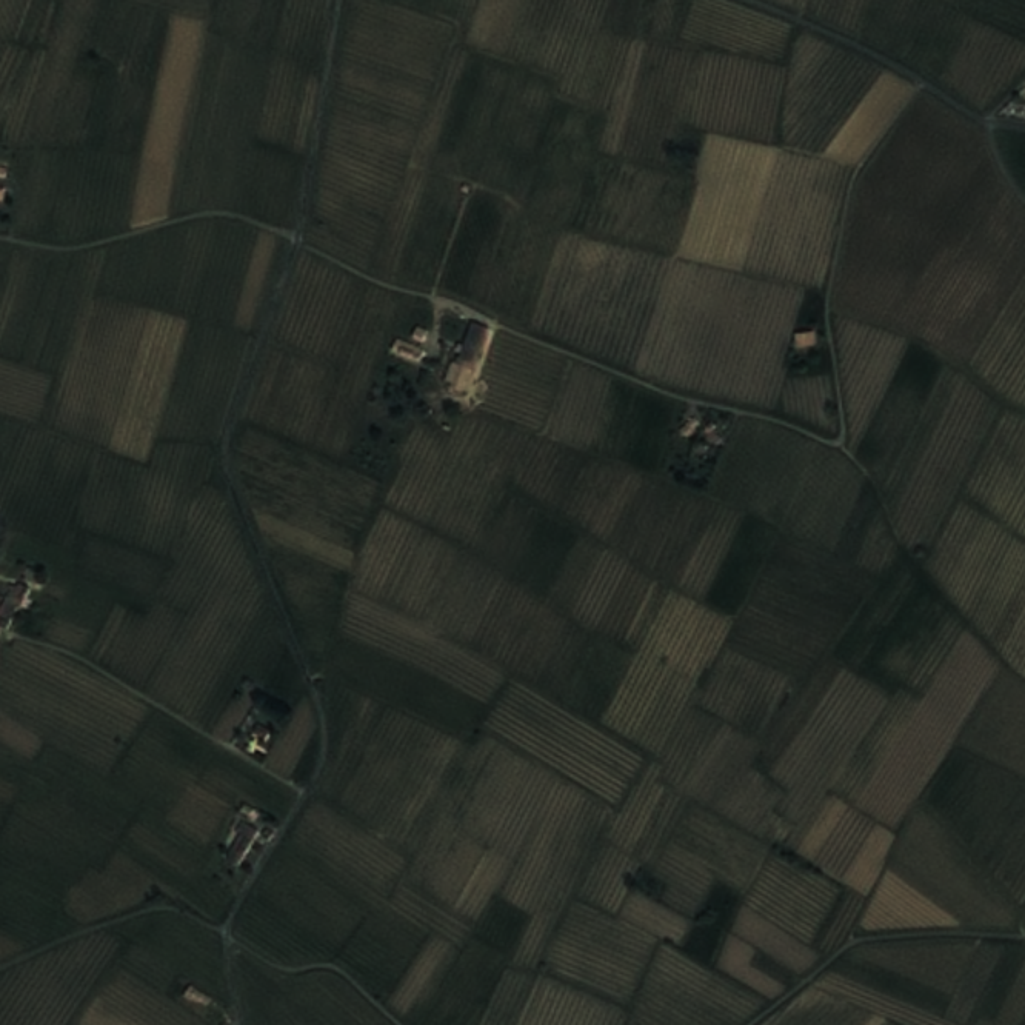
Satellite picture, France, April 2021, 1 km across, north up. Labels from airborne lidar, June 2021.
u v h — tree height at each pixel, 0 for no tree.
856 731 0
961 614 0
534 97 0
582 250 0
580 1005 0
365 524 0
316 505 0
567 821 0
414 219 0
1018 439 0
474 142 0
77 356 0
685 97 0
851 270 0
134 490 0
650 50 0
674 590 0
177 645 0
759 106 0
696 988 0
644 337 0
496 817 0
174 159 0
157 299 0
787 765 0
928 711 0
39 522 0
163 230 0
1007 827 0
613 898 0
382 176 0
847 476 0
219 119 0
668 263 0
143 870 0
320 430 0
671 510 0
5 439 0
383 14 0
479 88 0
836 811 0
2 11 0
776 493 0
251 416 0
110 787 0
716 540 0
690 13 0
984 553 0
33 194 0
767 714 0
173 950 0
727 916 0
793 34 0
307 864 0
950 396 0
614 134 0
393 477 0
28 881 0
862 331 0
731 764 0
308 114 0
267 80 0
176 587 0
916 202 0
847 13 0
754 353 0
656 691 0
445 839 0
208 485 0
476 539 0
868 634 0
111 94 0
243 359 0
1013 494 0
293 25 0
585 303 0
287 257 0
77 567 0
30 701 0
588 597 0
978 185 0
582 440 0
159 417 0
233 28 0
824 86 0
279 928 0
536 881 0
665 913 0
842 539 0
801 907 0
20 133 0
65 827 0
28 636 0
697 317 0
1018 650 0
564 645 0
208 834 0
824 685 0
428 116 0
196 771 0
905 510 0
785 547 0
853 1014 0
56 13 0
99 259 0
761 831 0
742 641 0
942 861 0
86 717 0
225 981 0
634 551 0
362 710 0
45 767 0
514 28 0
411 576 0
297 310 0
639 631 0
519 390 0
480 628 0
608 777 0
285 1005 0
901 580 0
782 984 0
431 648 0
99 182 0
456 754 0
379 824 0
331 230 0
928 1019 0
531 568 0
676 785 0
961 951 0
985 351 0
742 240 0
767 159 0
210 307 0
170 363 0
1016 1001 0
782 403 0
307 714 0
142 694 0
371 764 0
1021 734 0
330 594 0
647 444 0
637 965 0
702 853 0
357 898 0
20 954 0
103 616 0
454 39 0
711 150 0
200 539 0
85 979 0
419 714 0
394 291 0
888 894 0
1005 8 0
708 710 0
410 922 0
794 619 0
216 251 0
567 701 0
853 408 0
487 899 0
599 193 0
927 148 0
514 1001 0
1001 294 0
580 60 0
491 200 0
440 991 0
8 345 0
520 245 0
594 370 0
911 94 0
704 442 7
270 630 0
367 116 0
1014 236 0
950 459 0
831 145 0
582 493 0
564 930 0
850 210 0
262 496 0
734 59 0
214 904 0
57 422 0
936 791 0
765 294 0
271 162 0
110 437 0
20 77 0
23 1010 0
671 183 0
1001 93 0
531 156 0
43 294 0
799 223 0
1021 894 0
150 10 0
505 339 0
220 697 0
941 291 0
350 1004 0
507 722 0
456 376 0
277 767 0
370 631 0
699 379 0
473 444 0
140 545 0
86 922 0
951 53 0
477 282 0
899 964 0
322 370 0
